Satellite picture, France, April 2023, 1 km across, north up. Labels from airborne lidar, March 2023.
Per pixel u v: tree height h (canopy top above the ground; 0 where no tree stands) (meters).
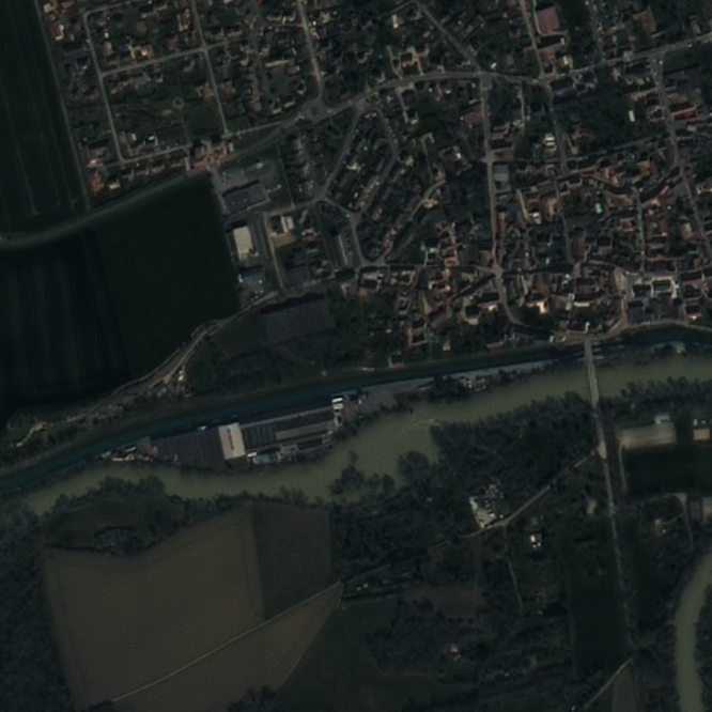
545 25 0
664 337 0
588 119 15
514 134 0
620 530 13
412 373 0
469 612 0
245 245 0
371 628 0
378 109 0
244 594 0
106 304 0
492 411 0
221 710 0
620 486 17
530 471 6
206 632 0
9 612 23
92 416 0
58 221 0
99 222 0
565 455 16
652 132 17
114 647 0
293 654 0
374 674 0
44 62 0
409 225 7
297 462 15
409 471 18
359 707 0
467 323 9
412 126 7
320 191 0
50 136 0
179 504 7
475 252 0
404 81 0
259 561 0
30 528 33
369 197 0
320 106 0
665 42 11
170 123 9
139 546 18
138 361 0
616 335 0
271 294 0
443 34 11
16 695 27
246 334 0
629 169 7
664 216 0
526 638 9
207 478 12
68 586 0
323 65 9
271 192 0
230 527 0
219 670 0
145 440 0
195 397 14
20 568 25
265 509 0
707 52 0
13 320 0
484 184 21
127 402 0
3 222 0
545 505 0
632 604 17
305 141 0
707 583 0
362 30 9
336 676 0
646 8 0
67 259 0
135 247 0
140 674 0
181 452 0
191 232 0
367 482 14
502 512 0
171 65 0
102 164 0
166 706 0
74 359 0
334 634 0
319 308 0
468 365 0
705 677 10
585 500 7
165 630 0
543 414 13
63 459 0
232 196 0
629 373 0
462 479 10
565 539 0
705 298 10
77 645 0
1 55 0
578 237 0
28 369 0
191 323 0
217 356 9
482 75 0
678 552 7
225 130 0
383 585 7
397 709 0
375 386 0
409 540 11
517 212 0
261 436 0
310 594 0
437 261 12
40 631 17
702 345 19
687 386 16
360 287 0
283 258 0
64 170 0
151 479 0
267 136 0
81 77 0
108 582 0
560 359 18
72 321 0
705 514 0
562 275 0
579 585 0
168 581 0
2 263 0
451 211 8
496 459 13
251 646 0
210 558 0
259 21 0
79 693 0
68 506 13
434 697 0
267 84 0
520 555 6
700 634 10
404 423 0
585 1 0
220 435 0
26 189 0
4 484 0
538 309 0
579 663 0
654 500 12
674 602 16
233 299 0
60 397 0
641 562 0
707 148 5
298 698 0
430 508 7
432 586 11
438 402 12
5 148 0
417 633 23
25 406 0
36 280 0
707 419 0
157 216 0
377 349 10
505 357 0
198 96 0
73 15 0
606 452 0
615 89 7
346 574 6
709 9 0
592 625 0
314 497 0
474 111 0
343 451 0
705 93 9
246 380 12
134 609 0
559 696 6
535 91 7
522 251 0
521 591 6
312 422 0
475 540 0
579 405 19
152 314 0
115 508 0
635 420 14
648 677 23
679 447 0
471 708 20
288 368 14
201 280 0
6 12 0
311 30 0
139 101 0
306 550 0
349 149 0
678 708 15
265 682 0
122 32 0
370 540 12
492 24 10
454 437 15
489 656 18
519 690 16
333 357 16
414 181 0
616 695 0
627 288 0
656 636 15
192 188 0
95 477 0
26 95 0
